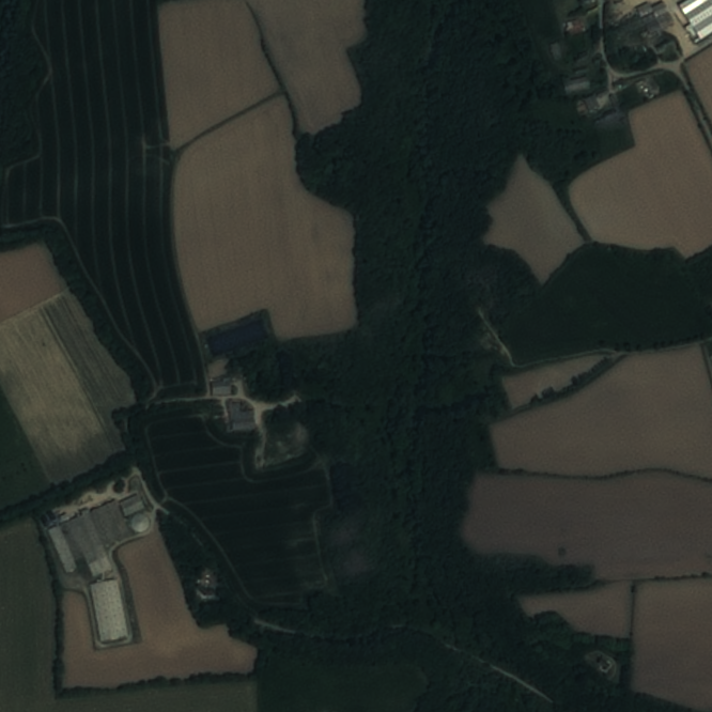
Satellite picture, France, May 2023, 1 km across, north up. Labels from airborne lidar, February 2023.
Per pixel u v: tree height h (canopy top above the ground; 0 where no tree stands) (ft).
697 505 0
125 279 0
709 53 0
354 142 80
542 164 27
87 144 0
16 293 0
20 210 0
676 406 0
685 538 0
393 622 47
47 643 0
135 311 0
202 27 0
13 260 0
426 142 57
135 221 0
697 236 0
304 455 0
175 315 0
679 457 0
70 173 0
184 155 0
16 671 0
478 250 37
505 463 0
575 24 0
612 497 0
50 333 0
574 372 0
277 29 0
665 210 0
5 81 73
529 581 53
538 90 29
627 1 0
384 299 30
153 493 0
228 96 0
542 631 52
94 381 0
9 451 0
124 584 0
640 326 0
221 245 0
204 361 0
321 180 83
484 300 26
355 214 37
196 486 0
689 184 0
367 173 79
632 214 0
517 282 23
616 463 0
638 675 0
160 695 0
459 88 41
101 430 0
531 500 0
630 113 0
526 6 0
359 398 67
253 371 30
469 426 45
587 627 0
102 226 0
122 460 61
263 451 0
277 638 57
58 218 0
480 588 58
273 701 0
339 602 43
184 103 0
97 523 0
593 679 43
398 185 61
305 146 62
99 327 36
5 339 0
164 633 0
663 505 0
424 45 71
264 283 0
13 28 48
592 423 0
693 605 0
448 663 46
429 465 59
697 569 0
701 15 0
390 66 34
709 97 0
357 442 35
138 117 0
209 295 0
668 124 0
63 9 0
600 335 0
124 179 0
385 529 46
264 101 0
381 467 62
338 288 0
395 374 63
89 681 0
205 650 0
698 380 0
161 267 0
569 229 0
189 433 0
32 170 0
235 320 0
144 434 0
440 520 47
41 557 0
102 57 0
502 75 66
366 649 63
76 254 0
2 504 0
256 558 0
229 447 0
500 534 0
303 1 0
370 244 58
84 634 0
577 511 0
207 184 0
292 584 0
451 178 79
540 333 0
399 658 45
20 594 0
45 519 0
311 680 0
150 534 0
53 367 0
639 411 0
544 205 0
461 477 59
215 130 0
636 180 0
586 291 0
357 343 36
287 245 0
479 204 41
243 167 0
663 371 0
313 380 38
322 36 0
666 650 0
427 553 74
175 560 34
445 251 70
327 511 0
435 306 60
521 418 0
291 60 0
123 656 0
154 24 0
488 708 41
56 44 0
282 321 0
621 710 59
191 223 0
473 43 50
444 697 53
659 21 0
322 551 0
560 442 0
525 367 0
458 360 29
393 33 39
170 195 0
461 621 31
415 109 42
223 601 45
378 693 0
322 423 73
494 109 36
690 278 23
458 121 34
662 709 36
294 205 0
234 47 0
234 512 0
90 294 39
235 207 0
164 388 0
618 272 0
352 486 45
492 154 66
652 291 0
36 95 0
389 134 59
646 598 0
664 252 26
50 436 0
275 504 0
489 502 0
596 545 0
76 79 0
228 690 0
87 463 0
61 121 0
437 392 61
